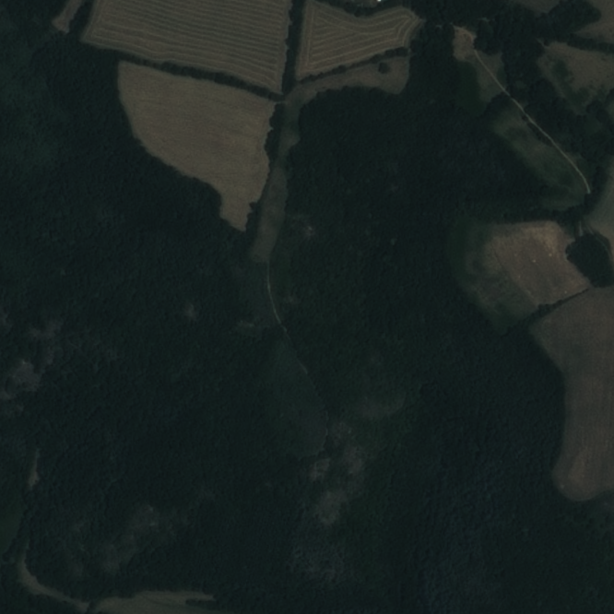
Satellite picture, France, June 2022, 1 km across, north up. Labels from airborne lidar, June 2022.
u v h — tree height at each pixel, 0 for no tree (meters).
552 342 0
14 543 13
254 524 19
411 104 14
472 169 19
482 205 23
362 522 13
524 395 18
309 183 10
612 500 0
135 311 12
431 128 24
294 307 12
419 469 23
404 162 13
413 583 27
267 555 19
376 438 6
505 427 18
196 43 0
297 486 6
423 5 15
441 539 31
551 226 0
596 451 0
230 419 17
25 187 11
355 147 20
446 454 29
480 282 0
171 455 18
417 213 25
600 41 8
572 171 0
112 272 15
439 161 18
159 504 11
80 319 13
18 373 0
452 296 15
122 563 10
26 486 15
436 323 14
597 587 11
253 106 0
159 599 0
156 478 17
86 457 15
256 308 0
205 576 22
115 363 12
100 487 12
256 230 11
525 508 15
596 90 0
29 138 8
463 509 26
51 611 8
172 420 23
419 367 20
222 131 0
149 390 14
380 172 16
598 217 0
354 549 11
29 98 6
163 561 20
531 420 17
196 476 12
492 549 22
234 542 19
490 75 0
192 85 0
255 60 0
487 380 17
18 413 12
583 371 0
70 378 16
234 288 11
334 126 21
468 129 20
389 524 14
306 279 11
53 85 17
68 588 21
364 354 11
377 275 27
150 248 23
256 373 15
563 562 16
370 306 27
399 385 8
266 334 14
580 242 10
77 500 6
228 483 11
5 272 13
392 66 0
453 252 0
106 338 11
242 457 14
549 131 13
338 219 14
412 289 15
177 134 0
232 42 0
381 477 13
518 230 0
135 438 25
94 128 14
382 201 22
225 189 0
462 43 0
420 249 14
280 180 0
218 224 8
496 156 20
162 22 0
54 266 16
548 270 0
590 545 15
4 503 19
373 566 13
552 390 15
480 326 12
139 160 15
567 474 0
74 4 0
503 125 0
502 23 18
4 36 6
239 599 29
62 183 19
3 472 12
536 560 17
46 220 12
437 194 23
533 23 18
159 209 21
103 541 12
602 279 9
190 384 24
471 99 0
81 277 15
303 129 16
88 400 25
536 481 10
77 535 10
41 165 7
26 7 14
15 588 16
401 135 11
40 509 23
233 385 18
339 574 16
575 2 14
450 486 36
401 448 16
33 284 16
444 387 25
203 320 9
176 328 10
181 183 16
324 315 12
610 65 0
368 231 27
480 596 23
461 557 35
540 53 15
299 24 11
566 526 11
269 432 14
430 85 16
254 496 15
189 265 17
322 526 18
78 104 14
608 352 0
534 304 0
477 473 22
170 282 11
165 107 0
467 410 25
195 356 14
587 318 0
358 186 22
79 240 22
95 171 17
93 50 10
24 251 10
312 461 8
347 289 20
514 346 17
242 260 7
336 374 8
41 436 28
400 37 0
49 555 9
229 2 0
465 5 17
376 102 16
